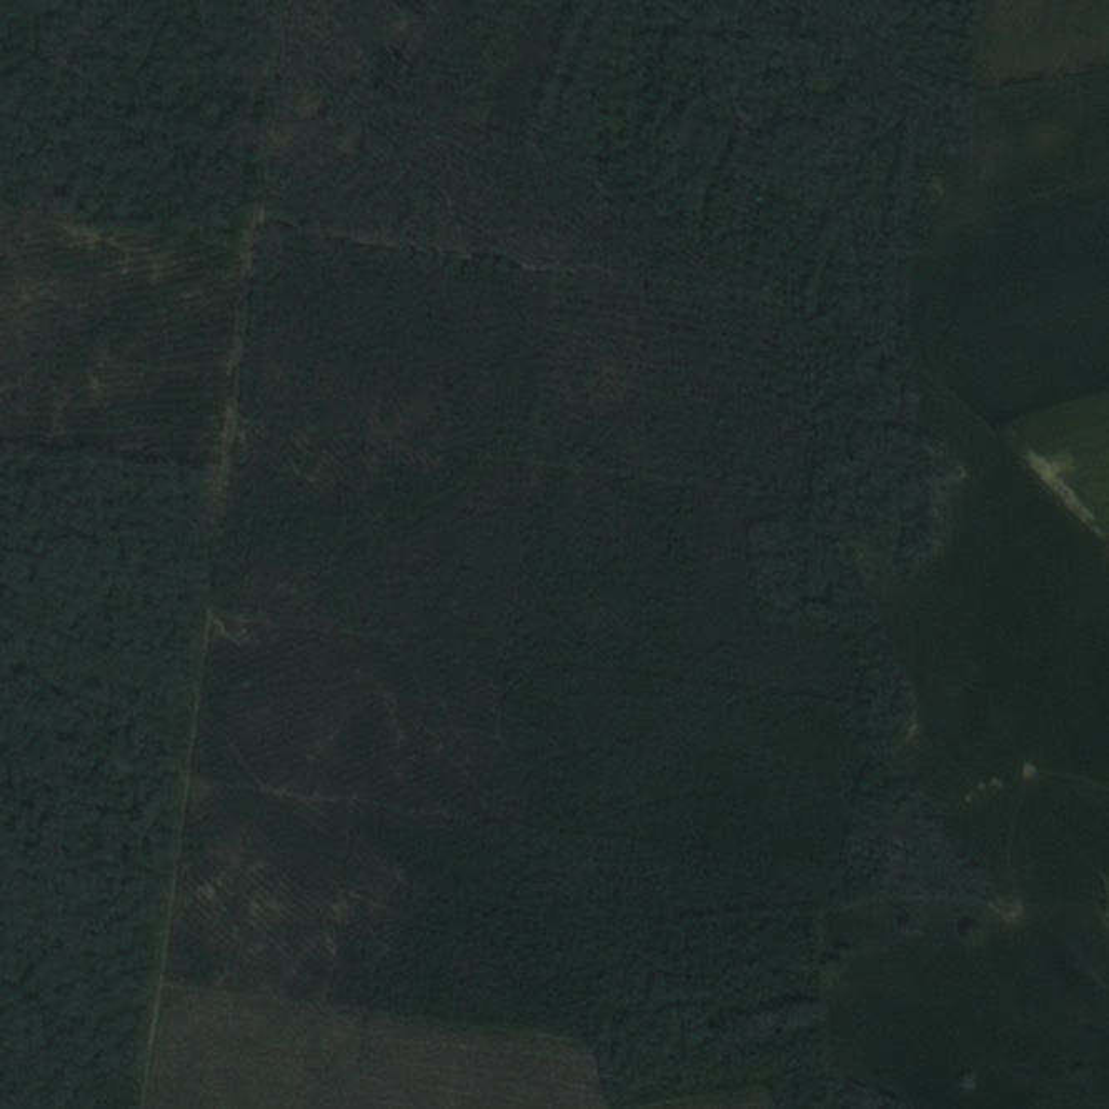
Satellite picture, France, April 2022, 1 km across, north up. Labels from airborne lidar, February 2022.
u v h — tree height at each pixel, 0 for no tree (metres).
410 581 7
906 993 0
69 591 22
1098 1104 0
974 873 21
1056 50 0
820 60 31
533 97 0
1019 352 0
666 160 26
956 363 0
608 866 13
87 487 28
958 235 0
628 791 6
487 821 8
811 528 17
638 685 9
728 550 8
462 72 18
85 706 27
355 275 13
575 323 13
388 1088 0
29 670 11
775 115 27
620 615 7
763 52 24
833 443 25
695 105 22
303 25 16
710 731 9
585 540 8
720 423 14
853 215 25
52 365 8
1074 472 0
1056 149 0
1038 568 0
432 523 7
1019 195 0
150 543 27
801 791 6
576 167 20
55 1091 21
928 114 25
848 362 15
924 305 0
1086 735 0
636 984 17
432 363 13
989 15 0
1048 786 0
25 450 25
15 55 20
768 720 8
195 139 24
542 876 14
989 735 0
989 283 0
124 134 27
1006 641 0
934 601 0
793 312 15
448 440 11
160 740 26
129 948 23
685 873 17
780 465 16
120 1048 21
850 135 28
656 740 6
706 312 14
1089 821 0
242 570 7
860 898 23
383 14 15
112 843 22
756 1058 25
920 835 6
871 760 10
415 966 6
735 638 8
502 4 18
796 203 16
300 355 12
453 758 7
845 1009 0
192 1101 0
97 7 28
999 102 0
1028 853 0
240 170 26
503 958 14
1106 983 0
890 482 19
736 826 9
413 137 21
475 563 6
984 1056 0
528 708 7
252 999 0
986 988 0
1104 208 0
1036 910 0
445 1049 0
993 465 0
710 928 13
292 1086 0
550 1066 0
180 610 25
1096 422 0
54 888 24
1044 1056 0
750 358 15
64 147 29
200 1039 0
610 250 18
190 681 25
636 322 14
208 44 17
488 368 13
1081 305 0
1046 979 0
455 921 6
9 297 6
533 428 14
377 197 19
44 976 27
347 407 13
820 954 12
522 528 7
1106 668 0
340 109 20
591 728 7
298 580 8
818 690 8
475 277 13
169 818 24
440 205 22
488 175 18
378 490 6
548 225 18
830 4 28
